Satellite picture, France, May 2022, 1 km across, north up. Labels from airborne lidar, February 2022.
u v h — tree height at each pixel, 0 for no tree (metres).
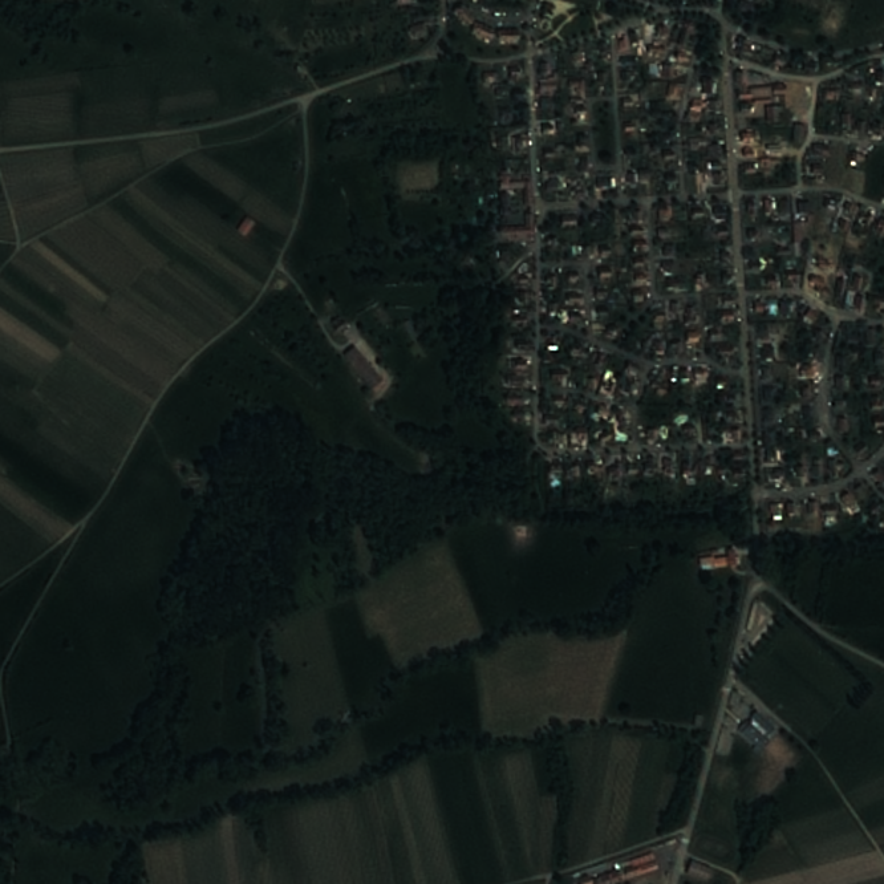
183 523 0
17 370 0
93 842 31
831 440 7
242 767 19
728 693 0
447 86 0
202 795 0
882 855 0
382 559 12
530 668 0
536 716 0
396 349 0
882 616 0
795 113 0
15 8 8
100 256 0
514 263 0
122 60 0
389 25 0
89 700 0
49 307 0
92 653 0
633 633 0
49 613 0
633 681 0
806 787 0
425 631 0
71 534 0
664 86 0
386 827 0
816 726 0
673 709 0
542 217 0
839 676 0
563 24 0
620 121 0
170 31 0
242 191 0
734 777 0
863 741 0
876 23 0
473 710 0
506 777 0
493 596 0
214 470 31
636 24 0
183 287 0
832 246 0
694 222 0
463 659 16
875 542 16
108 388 0
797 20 0
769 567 27
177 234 0
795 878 0
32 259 0
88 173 0
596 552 13
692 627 0
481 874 0
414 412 0
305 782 0
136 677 0
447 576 0
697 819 0
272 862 0
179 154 0
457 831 0
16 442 0
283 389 0
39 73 0
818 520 0
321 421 0
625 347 9
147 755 16
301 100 0
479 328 23
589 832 0
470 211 0
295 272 0
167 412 0
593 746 0
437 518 16
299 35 0
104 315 0
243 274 0
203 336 0
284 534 36
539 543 0
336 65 0
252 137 0
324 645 0
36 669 0
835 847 0
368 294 0
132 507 0
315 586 0
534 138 0
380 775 13
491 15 0
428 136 15
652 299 0
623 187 0
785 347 8
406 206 0
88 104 0
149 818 0
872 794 0
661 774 0
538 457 9
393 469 16
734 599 10
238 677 0
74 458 0
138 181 0
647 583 6
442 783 0
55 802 0
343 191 0
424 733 0
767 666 0
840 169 0
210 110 0
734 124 0
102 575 0
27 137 0
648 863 0
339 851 0
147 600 0
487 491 23
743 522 20
